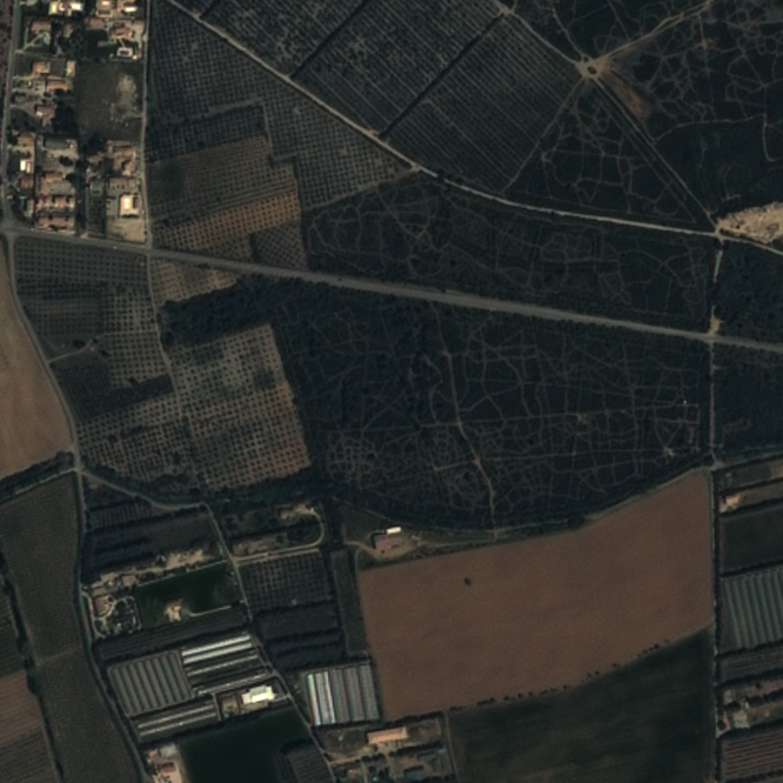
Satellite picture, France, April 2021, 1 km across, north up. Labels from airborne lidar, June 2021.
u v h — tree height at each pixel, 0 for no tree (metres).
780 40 0
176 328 11
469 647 0
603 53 0
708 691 0
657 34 0
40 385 0
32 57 0
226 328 11
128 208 0
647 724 0
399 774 0
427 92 7
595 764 0
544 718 0
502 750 0
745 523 0
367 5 9
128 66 0
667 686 0
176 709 6
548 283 9
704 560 0
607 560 0
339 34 9
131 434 7
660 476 7
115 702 7
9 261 0
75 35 7
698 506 0
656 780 0
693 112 0
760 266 7
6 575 14
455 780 7
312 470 7
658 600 0
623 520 0
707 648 0
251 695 0
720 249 12
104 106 0
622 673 0
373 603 0
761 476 0
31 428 0
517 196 6
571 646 0
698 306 0
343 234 0
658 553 0
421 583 0
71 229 0
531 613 0
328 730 8
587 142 0
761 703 9
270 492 8
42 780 0
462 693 0
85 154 11
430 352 12
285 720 0
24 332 0
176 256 0
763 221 0
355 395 13
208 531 0
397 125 7
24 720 0
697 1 0
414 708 0
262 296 10
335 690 0
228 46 7
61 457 9
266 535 8
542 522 7
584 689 0
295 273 0
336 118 6
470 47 9
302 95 8
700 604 0
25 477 7
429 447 9
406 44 7
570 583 0
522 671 0
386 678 0
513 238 0
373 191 0
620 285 0
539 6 0
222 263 0
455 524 8
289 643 15
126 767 0
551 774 0
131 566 13
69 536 0
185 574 7
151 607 0
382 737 0
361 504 9
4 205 0
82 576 8
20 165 0
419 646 0
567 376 0
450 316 10
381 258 0
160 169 0
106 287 8
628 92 0
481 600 0
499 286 7
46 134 6
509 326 5
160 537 0
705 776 0
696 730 0
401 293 0
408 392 10
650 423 11
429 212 0
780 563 7
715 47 0
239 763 0
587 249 0
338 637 10
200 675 0
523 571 0
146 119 0
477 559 0
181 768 0
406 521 9
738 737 10
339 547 9
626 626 0
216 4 8
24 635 21
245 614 8
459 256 0
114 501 6
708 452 7
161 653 10
